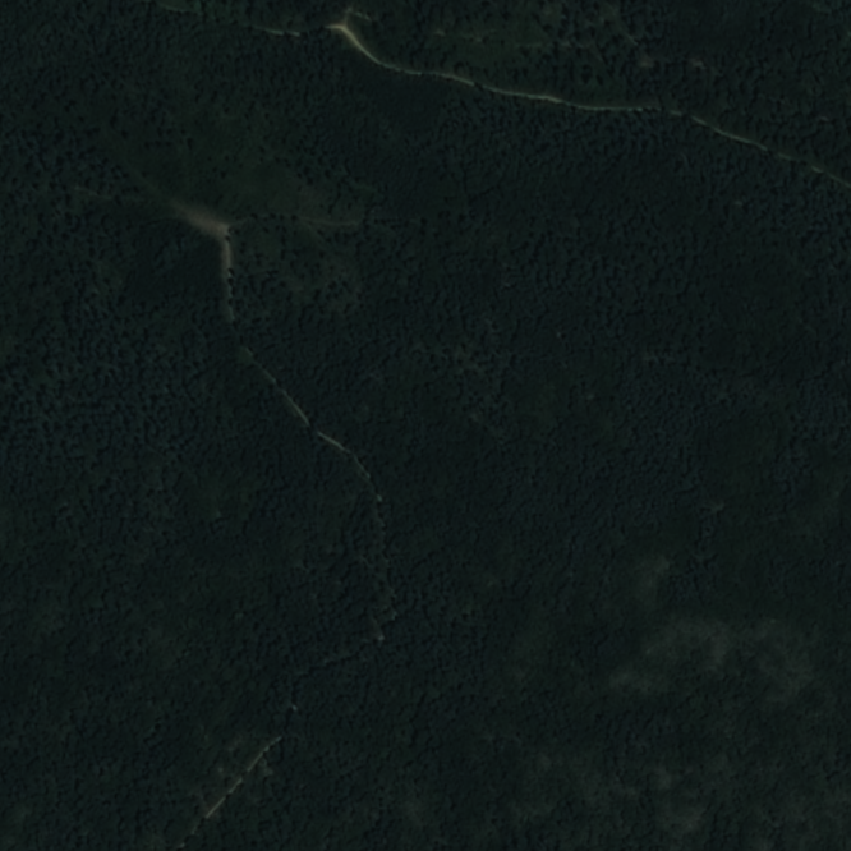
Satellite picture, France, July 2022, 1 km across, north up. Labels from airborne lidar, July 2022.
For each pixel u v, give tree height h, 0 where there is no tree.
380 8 17
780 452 18
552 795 14
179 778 9
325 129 16
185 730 9
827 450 17
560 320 21
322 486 20
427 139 7
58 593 15
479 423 13
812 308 26
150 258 20
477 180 22
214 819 7
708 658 8
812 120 21
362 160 19
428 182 15
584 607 9
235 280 12
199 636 15
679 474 23
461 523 21
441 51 7
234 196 8
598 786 7
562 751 8
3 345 10
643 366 19
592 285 25
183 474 16
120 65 17
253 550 15
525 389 13
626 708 10
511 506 25
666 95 26
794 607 11
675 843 7
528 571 12
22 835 15
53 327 28
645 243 7
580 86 8
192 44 17
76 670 15
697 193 24
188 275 19
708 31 19
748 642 6
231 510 12
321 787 19
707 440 12
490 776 14
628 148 25
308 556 15
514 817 15
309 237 10
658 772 6
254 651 22
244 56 12
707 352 25
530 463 7
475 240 11
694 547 16
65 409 12
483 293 19
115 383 33
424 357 22
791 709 11
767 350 29
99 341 25
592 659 14
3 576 22
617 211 19
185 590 11
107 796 22
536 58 33
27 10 20
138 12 15
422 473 22
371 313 12
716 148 26
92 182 20
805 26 22
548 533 18
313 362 22
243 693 10
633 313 8
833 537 20
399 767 8
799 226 30
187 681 14
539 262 20
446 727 22
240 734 17
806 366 13
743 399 20
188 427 23
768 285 19
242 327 22
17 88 13
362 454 25
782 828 10
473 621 28
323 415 25
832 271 27
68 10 15
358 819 18
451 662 23
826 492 6
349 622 26
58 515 19
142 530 21
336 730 14
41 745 20
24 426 28
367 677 14
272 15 9
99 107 8
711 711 12
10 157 19
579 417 16
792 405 14
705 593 19
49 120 20
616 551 9
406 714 14
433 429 24
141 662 20
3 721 25
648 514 19
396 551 18
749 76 13
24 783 17
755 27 24
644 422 27
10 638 10
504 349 21
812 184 23
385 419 10
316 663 25
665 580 11
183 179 7
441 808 12
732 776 6
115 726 14
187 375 26
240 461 14
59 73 17
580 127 21
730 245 14
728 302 23
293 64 10
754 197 29
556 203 21
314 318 26
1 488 7
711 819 9
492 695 8
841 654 18
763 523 12
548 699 16
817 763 11
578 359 19
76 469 16
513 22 28
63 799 32
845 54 22
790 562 16
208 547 22
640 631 9
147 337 6
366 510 21
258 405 13
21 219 17
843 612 14
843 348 20
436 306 16
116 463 26
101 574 11
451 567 12
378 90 14
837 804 7
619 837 7
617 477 22
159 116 22
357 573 20
